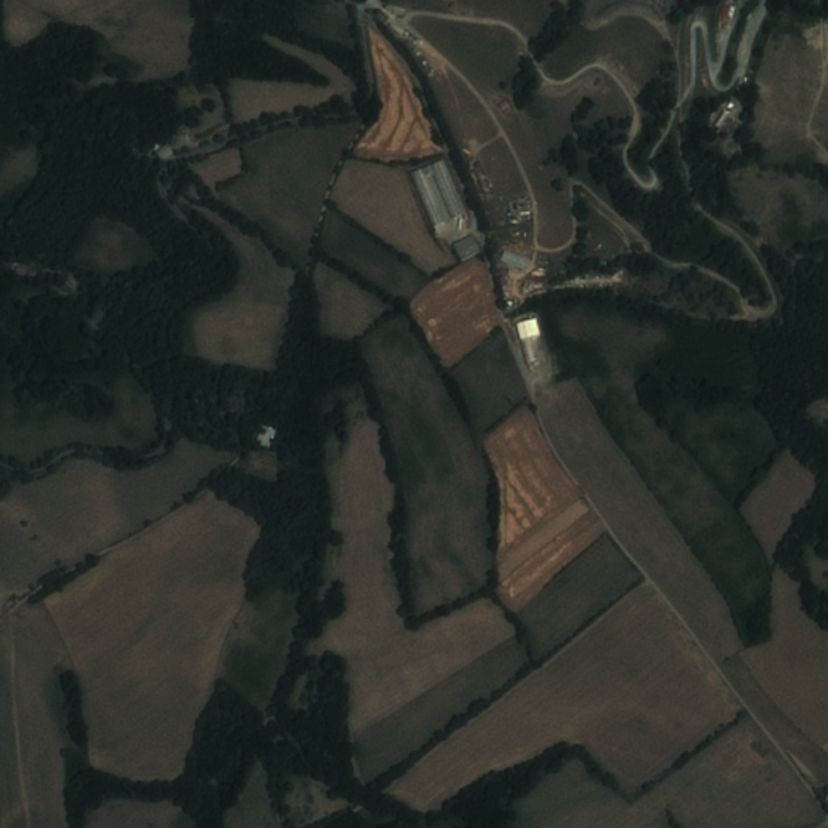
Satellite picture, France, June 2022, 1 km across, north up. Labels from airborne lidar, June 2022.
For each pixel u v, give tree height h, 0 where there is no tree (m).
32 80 17
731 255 12
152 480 0
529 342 0
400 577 12
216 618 0
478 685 0
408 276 0
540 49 13
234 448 14
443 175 0
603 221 0
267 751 24
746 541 0
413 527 0
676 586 0
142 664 0
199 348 0
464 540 0
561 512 0
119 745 0
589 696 0
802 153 0
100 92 24
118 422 0
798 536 17
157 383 14
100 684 0
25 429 0
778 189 0
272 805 7
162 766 0
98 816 0
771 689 0
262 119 12
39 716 0
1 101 19
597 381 0
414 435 0
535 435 0
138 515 0
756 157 24
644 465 0
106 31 0
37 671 0
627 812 0
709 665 0
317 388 19
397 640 0
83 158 9
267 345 0
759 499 0
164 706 0
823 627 14
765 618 15
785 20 0
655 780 9
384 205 0
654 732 0
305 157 0
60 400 20
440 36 0
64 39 17
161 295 18
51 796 0
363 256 0
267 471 0
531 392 0
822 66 0
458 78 0
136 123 21
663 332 0
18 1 0
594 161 15
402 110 0
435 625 0
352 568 0
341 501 0
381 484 0
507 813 22
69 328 0
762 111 0
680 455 0
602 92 0
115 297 19
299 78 13
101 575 0
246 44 12
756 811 0
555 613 0
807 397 13
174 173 16
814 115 0
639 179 0
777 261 12
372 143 0
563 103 0
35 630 0
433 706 0
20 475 12
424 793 0
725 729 8
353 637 0
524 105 11
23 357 31
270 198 0
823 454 20
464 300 0
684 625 0
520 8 0
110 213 11
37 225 16
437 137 12
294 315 14
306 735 19
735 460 0
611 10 0
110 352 16
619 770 0
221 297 11
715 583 7
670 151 19
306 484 15
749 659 0
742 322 9
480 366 0
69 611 0
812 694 0
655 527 0
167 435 12
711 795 0
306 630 19
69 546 0
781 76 0
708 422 0
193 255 26
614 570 0
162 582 0
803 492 0
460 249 0
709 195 15
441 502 0
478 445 0
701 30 0
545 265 0
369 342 0
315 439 19
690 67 0
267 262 0
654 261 12
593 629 0
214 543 0
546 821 0
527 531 0
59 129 15
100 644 0
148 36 0
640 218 13
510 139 0
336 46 14
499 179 0
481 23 0
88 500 0
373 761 0
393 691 0
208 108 11
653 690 0
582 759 9
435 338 0
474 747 0
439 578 0
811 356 11
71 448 10
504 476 0
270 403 18
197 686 0
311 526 21
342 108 19
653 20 0
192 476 0
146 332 12
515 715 0
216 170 0
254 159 0
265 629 0
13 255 12
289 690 20
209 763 14
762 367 12
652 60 0
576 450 0
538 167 0
